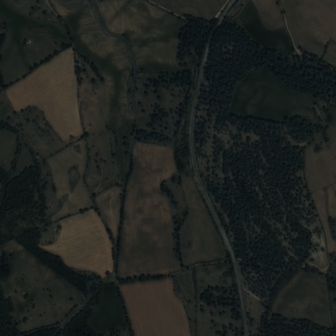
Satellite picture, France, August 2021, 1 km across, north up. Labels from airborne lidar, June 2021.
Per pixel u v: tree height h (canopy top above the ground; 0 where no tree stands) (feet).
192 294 0
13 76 0
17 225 44
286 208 38
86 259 0
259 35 0
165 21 0
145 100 0
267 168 38
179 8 0
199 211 0
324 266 0
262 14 0
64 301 0
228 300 39
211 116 35
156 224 0
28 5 0
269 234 28
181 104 30
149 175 0
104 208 0
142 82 0
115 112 0
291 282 0
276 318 26
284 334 36
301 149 31
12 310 33
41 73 0
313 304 0
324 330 39
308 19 0
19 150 20
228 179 39
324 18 0
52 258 46
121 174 0
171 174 0
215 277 0
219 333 20
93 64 33
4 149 0
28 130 0
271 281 46
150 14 0
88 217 0
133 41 0
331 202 0
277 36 0
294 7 0
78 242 0
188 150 25
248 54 48
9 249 0
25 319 36
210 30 38
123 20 0
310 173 0
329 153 0
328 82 36
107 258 0
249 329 0
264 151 34
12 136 0
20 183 35
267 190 33
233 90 40
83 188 0
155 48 0
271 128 34
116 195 0
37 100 0
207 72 39
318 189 0
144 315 0
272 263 40
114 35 0
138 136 48
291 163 48
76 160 0
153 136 48
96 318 0
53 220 0
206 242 0
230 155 19
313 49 0
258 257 43
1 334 41
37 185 24
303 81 40
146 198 0
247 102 0
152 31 0
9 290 0
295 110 0
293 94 0
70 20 0
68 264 0
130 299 0
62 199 0
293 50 42
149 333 0
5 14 0
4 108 0
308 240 26
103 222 18
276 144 40
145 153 0
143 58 0
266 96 0
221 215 38
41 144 0
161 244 0
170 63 0
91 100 0
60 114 0
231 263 33
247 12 0
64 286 0
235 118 49
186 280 0
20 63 0
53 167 0
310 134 37
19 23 0
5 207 36
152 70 0
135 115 0
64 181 0
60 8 0
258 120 45
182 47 44
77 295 0
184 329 0
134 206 0
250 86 0
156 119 49
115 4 0
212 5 0
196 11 0
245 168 47
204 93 32
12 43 0
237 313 29
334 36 0
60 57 0
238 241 50
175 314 0
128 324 37
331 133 0
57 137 0
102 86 0
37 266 0
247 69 52
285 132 20
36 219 22
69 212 0
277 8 0
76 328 27
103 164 0
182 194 0
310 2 0
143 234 0
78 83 24
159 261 0
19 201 53
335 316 0
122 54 0
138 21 0
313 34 0
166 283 0
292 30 0
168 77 28
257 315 0
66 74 0
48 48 0
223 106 44
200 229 0
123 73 0
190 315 0
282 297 0
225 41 46
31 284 0
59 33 0
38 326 0
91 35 0
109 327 0
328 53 0
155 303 0
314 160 0
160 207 0
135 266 0
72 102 0
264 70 0
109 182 0
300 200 37
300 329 40
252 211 36
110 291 0
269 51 60
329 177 0
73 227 0
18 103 0
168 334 0
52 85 0
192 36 46
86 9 0
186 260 0
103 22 0
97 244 0
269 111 0
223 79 41
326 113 34
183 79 25
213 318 0
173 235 36
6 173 30
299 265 39
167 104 0
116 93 0
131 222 0
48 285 0
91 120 0
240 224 34
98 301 24
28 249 40
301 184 23
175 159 24
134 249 0
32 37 0
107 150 0
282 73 45
